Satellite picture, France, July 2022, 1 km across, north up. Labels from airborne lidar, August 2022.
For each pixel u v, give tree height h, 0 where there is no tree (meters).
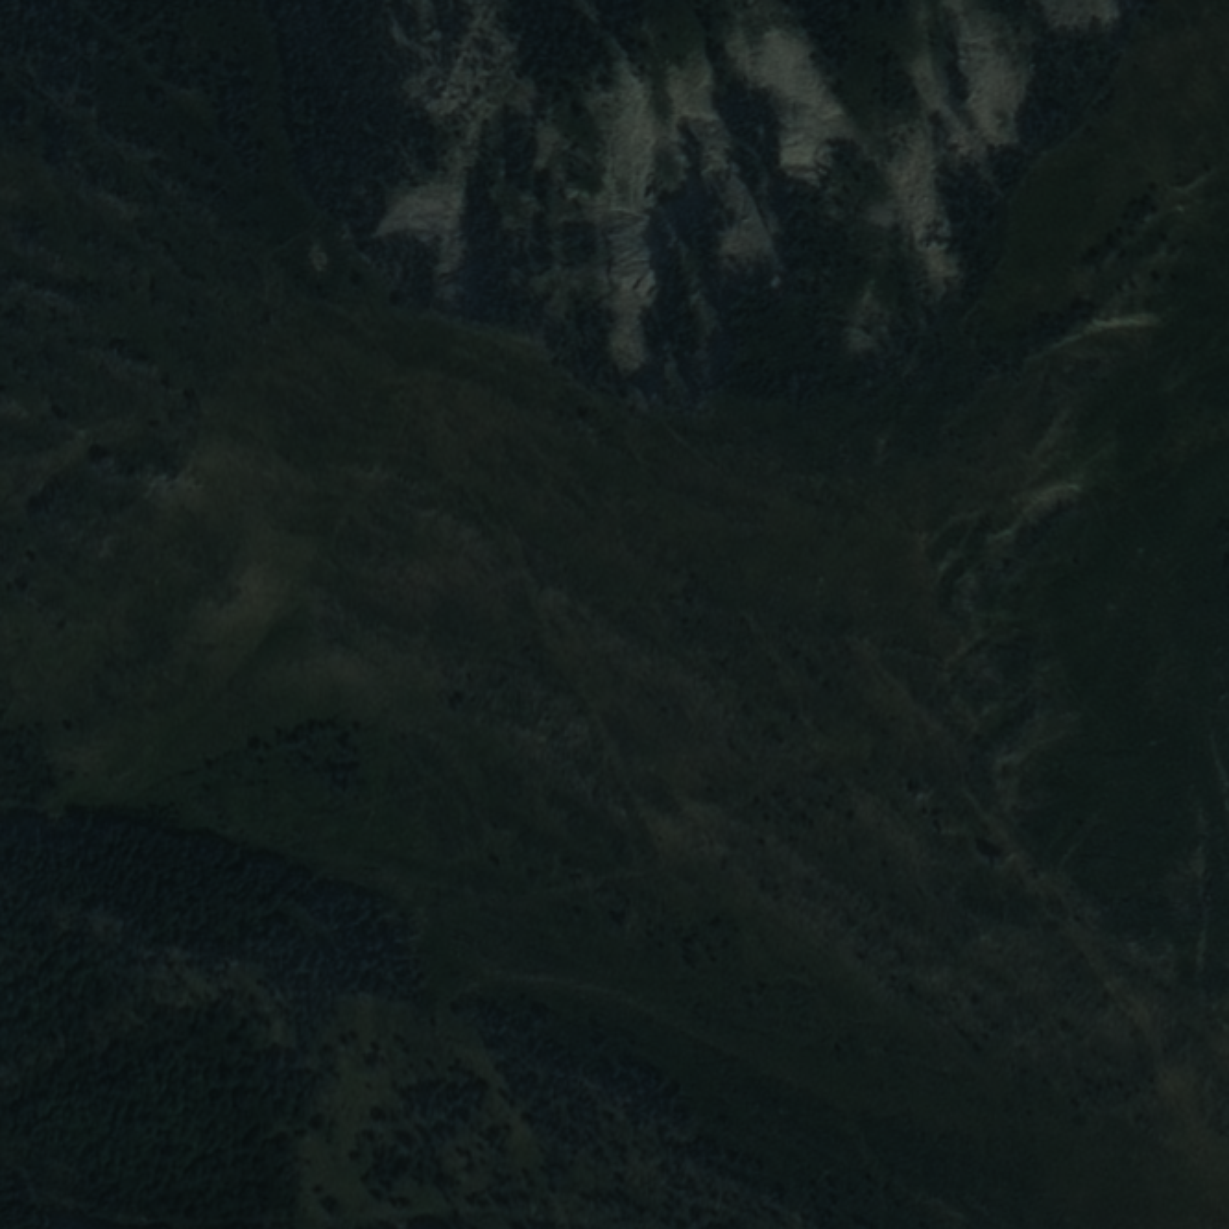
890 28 0
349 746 12
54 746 0
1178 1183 0
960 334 0
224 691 0
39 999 17
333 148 13
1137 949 0
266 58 0
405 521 0
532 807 0
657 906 0
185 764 0
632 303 0
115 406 0
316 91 15
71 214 0
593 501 0
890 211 0
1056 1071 0
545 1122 9
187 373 0
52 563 0
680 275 6
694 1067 0
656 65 0
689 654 0
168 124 0
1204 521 0
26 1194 22
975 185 7
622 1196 9
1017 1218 0
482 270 10
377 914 16
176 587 0
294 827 0
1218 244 0
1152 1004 0
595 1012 0
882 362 8
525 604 0
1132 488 0
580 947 0
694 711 0
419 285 7
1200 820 0
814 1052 0
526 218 0
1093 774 0
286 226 0
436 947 0
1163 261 0
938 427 0
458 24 10
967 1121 0
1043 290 0
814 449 0
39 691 0
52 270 0
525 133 10
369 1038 0
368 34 16
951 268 0
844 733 0
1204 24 0
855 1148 0
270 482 0
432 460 0
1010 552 0
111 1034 10
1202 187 0
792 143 0
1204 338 0
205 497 0
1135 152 0
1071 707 0
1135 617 0
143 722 0
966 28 0
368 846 0
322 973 12
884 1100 0
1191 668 0
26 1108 15
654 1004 0
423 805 0
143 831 16
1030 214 0
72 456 0
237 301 0
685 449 0
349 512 0
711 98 0
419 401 0
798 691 0
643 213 0
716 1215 9
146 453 0
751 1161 7
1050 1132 0
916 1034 0
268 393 0
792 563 0
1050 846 0
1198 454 0
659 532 0
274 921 15
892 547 0
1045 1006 0
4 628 0
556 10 19
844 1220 0
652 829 0
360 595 0
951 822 0
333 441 0
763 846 6
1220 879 0
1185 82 0
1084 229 0
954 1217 0
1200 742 0
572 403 0
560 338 10
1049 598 0
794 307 0
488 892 0
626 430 0
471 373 0
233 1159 14
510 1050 10
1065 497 0
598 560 0
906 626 0
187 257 0
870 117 0
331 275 0
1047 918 0
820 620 0
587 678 0
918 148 0
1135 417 0
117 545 0
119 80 0
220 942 14
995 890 0
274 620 0
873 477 0
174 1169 22
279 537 0
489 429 0
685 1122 8
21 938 8
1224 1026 0
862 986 0
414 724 0
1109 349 0
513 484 0
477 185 7
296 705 0
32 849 18
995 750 0
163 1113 21
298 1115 17
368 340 0
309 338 0
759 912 0
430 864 0
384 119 12
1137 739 0
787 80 0
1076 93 7
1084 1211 0
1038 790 0
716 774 0
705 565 0
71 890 15
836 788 0
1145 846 0
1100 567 0
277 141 0
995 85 0
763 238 0
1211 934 0
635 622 0
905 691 0
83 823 25
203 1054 8
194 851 17
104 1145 16
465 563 0
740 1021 0
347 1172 0
